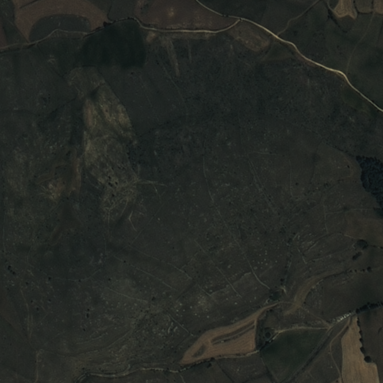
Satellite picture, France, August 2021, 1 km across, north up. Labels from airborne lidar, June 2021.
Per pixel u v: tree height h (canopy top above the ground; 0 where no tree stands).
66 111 0
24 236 0
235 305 0
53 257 0
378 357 0
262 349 7
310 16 0
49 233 0
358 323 10
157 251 0
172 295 0
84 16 0
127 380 0
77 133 0
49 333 0
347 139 0
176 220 0
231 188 0
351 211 0
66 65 0
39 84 0
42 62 0
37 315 0
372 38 0
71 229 0
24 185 0
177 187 0
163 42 0
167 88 0
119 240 0
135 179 0
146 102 0
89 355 0
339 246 0
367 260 0
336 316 0
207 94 0
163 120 0
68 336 0
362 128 0
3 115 0
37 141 0
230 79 0
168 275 0
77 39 0
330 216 0
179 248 0
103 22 0
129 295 0
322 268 0
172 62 0
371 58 0
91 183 0
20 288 0
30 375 0
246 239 0
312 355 0
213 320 0
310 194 0
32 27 0
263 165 0
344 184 0
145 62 0
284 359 0
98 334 0
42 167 0
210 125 0
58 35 0
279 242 0
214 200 0
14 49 0
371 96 0
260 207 0
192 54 0
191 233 0
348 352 0
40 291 0
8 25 0
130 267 0
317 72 0
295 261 0
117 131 0
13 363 0
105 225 0
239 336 0
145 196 0
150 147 0
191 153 0
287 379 0
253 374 0
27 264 0
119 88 0
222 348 0
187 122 0
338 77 0
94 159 0
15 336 0
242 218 0
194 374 0
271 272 0
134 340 0
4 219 0
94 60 0
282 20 0
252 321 0
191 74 0
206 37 0
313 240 0
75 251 0
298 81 0
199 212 0
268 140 0
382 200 15
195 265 0
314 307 0
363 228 0
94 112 0
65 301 0
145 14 0
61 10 0
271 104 0
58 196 0
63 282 0
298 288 0
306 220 0
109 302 0
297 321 0
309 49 0
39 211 0
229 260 0
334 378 0
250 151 0
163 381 0
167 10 0
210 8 0
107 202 0
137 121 0
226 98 0
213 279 0
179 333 0
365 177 19
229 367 0
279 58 0
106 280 0
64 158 0
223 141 0
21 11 0
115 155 0
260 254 0
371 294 0
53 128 0
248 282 0
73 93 0
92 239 0
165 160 0
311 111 0
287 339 0
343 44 0
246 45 0
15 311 0
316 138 0
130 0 0
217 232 0
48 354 0
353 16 0
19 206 0
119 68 0
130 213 0
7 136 0
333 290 0
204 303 0
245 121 0
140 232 0
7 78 0
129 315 0
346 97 0
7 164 0
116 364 0
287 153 0
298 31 0
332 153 0
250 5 0
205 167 0
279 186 0
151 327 0
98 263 0
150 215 0
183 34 0
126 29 0
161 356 0
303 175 0
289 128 0
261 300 0
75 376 0
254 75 0
